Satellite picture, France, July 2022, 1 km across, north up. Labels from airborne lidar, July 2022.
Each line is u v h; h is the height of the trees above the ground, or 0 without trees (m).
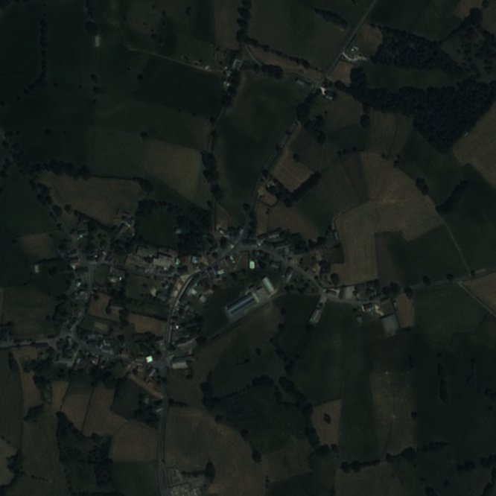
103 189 0
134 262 0
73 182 0
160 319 11
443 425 0
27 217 0
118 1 0
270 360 0
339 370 0
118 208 0
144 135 14
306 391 0
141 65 0
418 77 0
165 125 0
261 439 0
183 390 0
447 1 0
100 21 0
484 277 0
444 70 15
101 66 0
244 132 0
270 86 0
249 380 0
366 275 0
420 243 0
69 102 0
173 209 13
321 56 0
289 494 0
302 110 20
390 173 0
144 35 0
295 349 0
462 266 0
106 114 0
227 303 0
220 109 0
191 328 6
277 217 0
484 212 0
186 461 0
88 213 0
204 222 6
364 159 0
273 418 0
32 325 0
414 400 0
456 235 0
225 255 0
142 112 0
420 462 0
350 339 0
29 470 0
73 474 0
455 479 0
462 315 0
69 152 0
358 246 0
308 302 0
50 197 16
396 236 0
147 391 0
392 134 0
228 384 0
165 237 0
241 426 0
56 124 0
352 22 0
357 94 19
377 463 7
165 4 0
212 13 0
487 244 0
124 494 0
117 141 0
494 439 0
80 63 0
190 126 0
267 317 0
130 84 0
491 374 0
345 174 0
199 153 0
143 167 0
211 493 0
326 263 7
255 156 0
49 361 14
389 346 0
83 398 0
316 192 0
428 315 0
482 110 20
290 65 0
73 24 0
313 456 6
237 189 0
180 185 0
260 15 0
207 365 0
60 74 0
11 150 11
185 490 0
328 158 0
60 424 8
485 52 6
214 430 0
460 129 19
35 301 0
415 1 0
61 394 0
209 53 0
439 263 0
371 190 0
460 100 16
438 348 0
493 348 0
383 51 17
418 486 0
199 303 0
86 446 0
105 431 0
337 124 0
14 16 0
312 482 0
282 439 0
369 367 0
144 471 0
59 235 0
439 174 0
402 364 0
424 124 19
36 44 0
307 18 0
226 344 0
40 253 0
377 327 0
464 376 0
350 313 0
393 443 0
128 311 9
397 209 0
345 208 0
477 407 0
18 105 0
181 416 0
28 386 0
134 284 0
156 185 0
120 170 0
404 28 0
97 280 0
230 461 0
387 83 0
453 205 17
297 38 0
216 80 0
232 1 0
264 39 0
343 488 0
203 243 6
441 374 16
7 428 0
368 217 0
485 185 0
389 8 0
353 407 0
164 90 0
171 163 0
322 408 0
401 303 0
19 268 0
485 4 12
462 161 0
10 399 0
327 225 0
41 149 0
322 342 0
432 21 0
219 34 0
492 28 0
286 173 0
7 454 0
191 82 0
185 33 0
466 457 0
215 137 10
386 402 0
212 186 0
